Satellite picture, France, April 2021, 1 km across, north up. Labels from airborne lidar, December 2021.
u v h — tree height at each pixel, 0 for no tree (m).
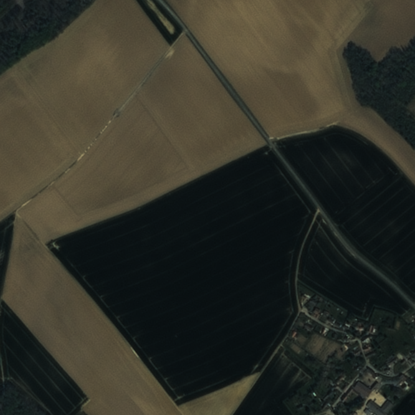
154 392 0
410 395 0
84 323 0
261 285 0
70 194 0
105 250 0
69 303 0
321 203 0
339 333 0
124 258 0
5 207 0
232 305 0
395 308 0
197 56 0
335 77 0
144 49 0
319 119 0
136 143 0
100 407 0
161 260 0
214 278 0
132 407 0
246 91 0
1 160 0
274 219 0
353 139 0
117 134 0
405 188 0
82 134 0
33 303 0
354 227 0
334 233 0
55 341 0
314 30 0
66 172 0
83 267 0
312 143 0
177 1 0
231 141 0
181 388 0
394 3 0
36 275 0
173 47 0
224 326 0
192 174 0
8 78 0
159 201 0
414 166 0
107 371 0
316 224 0
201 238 0
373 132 0
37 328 0
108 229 0
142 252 0
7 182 0
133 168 0
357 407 15
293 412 0
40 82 0
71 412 0
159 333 0
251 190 0
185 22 0
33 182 0
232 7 0
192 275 0
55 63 0
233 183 0
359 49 7
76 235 0
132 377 0
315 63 0
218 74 0
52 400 0
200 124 0
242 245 0
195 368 0
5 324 0
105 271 0
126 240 0
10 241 0
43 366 0
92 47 0
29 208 0
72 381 0
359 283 0
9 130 0
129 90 0
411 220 0
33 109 0
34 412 24
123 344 0
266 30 0
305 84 0
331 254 0
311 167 0
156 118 0
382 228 0
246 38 0
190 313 0
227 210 0
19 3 0
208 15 0
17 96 0
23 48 19
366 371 12
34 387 0
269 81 0
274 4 0
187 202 0
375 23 0
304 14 0
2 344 0
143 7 0
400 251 0
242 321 0
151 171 0
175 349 0
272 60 0
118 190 0
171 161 0
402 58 22
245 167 0
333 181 0
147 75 0
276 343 0
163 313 0
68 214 0
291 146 0
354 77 14
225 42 0
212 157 0
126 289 0
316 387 13
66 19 22
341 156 0
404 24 0
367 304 0
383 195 0
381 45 0
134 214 0
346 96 0
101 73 0
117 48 0
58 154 0
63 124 0
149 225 0
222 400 0
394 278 0
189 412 0
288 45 0
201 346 0
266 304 0
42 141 0
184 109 0
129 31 0
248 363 0
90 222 0
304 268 0
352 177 0
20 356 0
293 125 0
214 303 0
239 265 0
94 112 0
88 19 0
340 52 0
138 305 0
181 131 0
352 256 0
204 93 0
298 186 0
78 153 0
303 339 0
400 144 0
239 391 0
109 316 0
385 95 10
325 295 0
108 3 0
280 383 0
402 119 15
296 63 0
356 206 0
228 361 0
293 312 0
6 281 0
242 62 0
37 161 0
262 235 0
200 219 0
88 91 0
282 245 0
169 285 0
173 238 0
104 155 0
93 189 0
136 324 0
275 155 0
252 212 0
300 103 0
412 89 16
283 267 0
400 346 0
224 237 0
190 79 0
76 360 0
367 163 0
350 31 0
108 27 0
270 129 0
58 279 0
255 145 0
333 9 0
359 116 0
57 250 0
